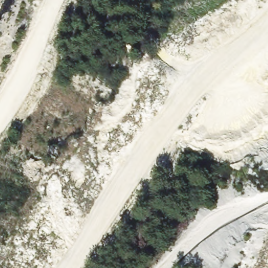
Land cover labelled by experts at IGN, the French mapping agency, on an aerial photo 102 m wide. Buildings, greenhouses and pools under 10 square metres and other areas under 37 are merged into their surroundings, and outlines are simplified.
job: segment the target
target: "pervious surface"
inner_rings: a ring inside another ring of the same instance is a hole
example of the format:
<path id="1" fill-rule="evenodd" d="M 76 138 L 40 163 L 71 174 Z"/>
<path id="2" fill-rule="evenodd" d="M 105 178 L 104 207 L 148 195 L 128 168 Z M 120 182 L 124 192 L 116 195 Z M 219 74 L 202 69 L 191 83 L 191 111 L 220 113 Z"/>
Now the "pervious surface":
<path id="1" fill-rule="evenodd" d="M 217 189 L 217 207 L 200 208 L 195 220 L 181 232 L 175 246 L 164 252 L 152 268 L 268 268 L 268 192 L 260 192 L 250 181 L 245 181 L 245 193 L 241 195 L 233 188 L 234 176 L 230 176 L 227 180 L 228 187 Z"/>
<path id="2" fill-rule="evenodd" d="M 178 35 L 173 33 L 173 42 L 165 38 L 162 41 L 157 60 L 151 60 L 150 55 L 146 53 L 140 63 L 131 58 L 124 58 L 122 65 L 128 69 L 130 76 L 121 83 L 118 93 L 100 84 L 99 80 L 93 81 L 92 76 L 87 74 L 74 75 L 68 87 L 63 88 L 52 74 L 57 61 L 63 59 L 63 54 L 53 46 L 54 38 L 58 35 L 58 25 L 66 6 L 71 2 L 76 3 L 77 0 L 0 0 L 0 148 L 2 140 L 7 137 L 9 127 L 22 133 L 21 119 L 26 119 L 37 109 L 39 112 L 44 111 L 45 116 L 52 114 L 57 117 L 51 127 L 54 128 L 51 139 L 64 139 L 68 133 L 81 128 L 83 135 L 71 139 L 65 151 L 60 158 L 52 156 L 53 163 L 49 166 L 43 161 L 32 159 L 23 162 L 23 174 L 30 181 L 39 182 L 41 201 L 30 210 L 30 222 L 16 226 L 16 236 L 8 233 L 5 245 L 0 245 L 0 268 L 84 268 L 92 249 L 96 245 L 102 245 L 100 240 L 107 233 L 111 233 L 113 227 L 118 227 L 124 210 L 133 208 L 137 191 L 141 188 L 140 181 L 152 179 L 151 172 L 156 164 L 163 166 L 172 160 L 173 167 L 176 167 L 184 149 L 206 149 L 213 153 L 217 161 L 228 160 L 232 169 L 240 170 L 244 164 L 249 164 L 248 174 L 255 176 L 253 165 L 261 161 L 263 164 L 259 166 L 260 169 L 268 170 L 268 0 L 231 0 L 215 12 L 208 12 L 196 22 L 188 24 Z"/>

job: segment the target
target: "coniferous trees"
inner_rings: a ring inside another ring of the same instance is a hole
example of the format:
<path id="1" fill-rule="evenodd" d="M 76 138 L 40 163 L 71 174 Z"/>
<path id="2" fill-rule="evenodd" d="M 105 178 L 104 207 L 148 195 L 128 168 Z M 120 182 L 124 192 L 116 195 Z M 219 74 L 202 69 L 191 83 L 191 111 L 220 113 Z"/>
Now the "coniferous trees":
<path id="1" fill-rule="evenodd" d="M 175 246 L 181 232 L 195 220 L 200 208 L 217 207 L 217 189 L 228 187 L 227 180 L 230 176 L 232 169 L 228 160 L 217 161 L 213 153 L 206 149 L 184 149 L 176 167 L 173 167 L 172 160 L 163 166 L 156 164 L 151 172 L 152 179 L 140 181 L 141 188 L 137 191 L 133 208 L 124 210 L 118 227 L 113 227 L 111 233 L 107 233 L 100 240 L 102 245 L 96 245 L 92 249 L 84 268 L 152 268 L 164 252 Z"/>
<path id="2" fill-rule="evenodd" d="M 165 38 L 174 19 L 173 7 L 183 4 L 185 0 L 77 0 L 76 3 L 71 2 L 66 6 L 58 25 L 58 35 L 54 38 L 53 46 L 63 54 L 63 59 L 72 64 L 84 62 L 93 68 L 103 66 L 112 72 L 128 69 L 122 65 L 112 66 L 110 59 L 114 59 L 117 52 L 124 50 L 127 45 L 138 50 L 143 45 L 152 44 L 153 38 L 161 38 L 162 41 Z"/>

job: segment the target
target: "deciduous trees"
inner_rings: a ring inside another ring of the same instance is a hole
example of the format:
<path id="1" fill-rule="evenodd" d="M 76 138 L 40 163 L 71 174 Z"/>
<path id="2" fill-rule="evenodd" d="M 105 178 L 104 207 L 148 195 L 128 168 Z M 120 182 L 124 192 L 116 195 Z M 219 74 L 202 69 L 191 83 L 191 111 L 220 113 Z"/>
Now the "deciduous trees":
<path id="1" fill-rule="evenodd" d="M 84 62 L 72 64 L 63 59 L 57 61 L 52 74 L 63 88 L 68 87 L 74 75 L 87 74 L 92 76 L 93 81 L 99 80 L 100 84 L 118 93 L 121 83 L 130 76 L 128 69 L 112 72 L 103 66 L 93 68 Z"/>

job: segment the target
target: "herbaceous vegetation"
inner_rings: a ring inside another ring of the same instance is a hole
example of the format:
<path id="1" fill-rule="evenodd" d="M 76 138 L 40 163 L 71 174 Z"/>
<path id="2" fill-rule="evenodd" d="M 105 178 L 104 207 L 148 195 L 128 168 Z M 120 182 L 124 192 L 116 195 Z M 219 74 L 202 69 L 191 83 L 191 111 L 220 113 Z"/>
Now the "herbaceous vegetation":
<path id="1" fill-rule="evenodd" d="M 48 140 L 51 139 L 54 128 L 51 127 L 57 117 L 52 114 L 45 116 L 44 111 L 39 112 L 37 109 L 26 119 L 21 119 L 22 133 L 22 138 L 10 147 L 7 154 L 0 156 L 0 245 L 5 245 L 8 233 L 16 236 L 16 226 L 30 222 L 30 210 L 41 201 L 39 182 L 30 181 L 23 174 L 23 162 L 32 159 L 43 161 L 49 166 L 53 163 L 52 156 L 60 158 L 65 151 L 48 146 Z"/>
<path id="2" fill-rule="evenodd" d="M 183 4 L 173 7 L 174 19 L 165 38 L 173 42 L 173 33 L 178 35 L 188 24 L 196 22 L 208 12 L 215 12 L 231 0 L 185 0 Z"/>

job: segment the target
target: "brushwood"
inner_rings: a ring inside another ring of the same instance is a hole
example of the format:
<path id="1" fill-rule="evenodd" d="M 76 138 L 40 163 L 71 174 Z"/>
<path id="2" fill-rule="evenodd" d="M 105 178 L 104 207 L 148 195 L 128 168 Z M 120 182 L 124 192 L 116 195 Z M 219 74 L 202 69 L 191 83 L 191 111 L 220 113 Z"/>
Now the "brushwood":
<path id="1" fill-rule="evenodd" d="M 124 50 L 117 52 L 114 59 L 110 59 L 112 66 L 122 65 L 124 58 L 131 58 L 140 63 L 146 53 L 150 55 L 151 60 L 157 60 L 162 41 L 161 38 L 153 38 L 152 44 L 143 45 L 138 50 L 127 45 Z"/>
<path id="2" fill-rule="evenodd" d="M 233 188 L 241 195 L 245 193 L 245 181 L 250 181 L 260 192 L 268 192 L 268 170 L 260 169 L 259 166 L 263 164 L 261 161 L 253 165 L 255 176 L 248 174 L 249 164 L 244 164 L 240 170 L 232 169 L 230 176 L 234 176 Z"/>
<path id="3" fill-rule="evenodd" d="M 22 133 L 9 127 L 7 137 L 2 140 L 0 148 L 0 156 L 7 154 L 10 147 L 22 138 Z"/>
<path id="4" fill-rule="evenodd" d="M 81 128 L 68 133 L 64 139 L 51 139 L 48 140 L 48 146 L 65 151 L 71 139 L 83 135 Z"/>

